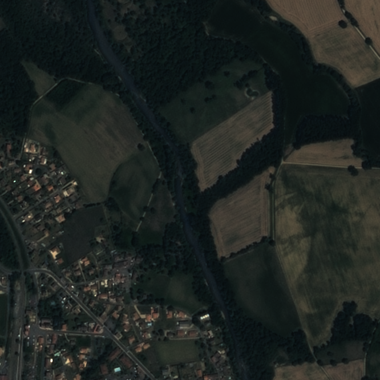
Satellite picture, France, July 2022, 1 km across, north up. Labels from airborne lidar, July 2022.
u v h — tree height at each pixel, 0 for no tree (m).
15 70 11
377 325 16
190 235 0
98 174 0
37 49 19
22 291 0
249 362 6
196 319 14
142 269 16
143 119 11
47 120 0
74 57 21
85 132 0
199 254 0
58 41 21
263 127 0
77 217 0
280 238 0
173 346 0
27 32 8
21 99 28
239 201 0
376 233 0
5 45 14
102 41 0
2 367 0
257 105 0
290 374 0
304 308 0
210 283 0
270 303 0
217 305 15
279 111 34
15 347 0
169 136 12
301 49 11
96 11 7
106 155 0
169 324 0
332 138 31
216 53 15
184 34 19
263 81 0
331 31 0
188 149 11
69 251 0
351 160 0
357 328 22
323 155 0
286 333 0
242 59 18
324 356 0
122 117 0
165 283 0
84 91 0
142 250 15
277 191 0
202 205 21
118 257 0
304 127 31
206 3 23
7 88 16
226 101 0
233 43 19
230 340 20
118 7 14
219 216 0
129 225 0
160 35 15
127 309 0
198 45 15
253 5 15
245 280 0
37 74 0
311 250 0
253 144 0
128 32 19
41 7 0
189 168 21
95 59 10
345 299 0
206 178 0
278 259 0
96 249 0
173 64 12
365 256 0
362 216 0
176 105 0
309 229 0
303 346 14
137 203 0
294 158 0
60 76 17
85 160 0
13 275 15
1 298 0
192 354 0
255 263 0
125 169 0
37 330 0
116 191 0
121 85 25
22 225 9
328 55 0
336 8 0
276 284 0
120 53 15
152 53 16
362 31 0
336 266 0
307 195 0
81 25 13
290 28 14
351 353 0
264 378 16
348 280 0
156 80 15
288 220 0
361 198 0
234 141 0
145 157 0
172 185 16
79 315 10
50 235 0
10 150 10
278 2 0
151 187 0
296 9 0
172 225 11
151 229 0
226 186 18
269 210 0
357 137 22
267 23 0
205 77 16
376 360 0
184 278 0
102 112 0
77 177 0
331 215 0
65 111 0
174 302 0
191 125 0
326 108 0
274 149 25
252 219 0
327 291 0
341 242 0
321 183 0
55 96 5
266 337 21
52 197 0
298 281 0
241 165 18
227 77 20
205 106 0
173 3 13
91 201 0
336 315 0
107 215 0
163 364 0
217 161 0
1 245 12
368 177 0
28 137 0
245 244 0
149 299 13
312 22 0
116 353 0
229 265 0
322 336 0
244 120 0
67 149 0
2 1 14
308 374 0
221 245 0
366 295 0
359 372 0
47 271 0
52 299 6
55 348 9
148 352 0
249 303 0
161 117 9
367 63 0
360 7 0
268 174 0
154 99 19
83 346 0
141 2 11
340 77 14
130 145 0
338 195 0
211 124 0
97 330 0
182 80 15
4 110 16
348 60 0
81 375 10
